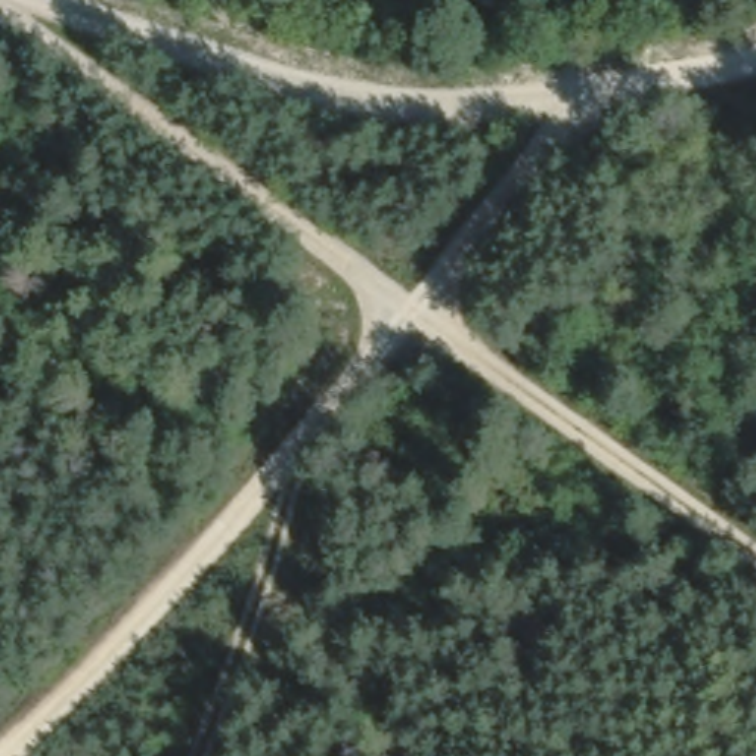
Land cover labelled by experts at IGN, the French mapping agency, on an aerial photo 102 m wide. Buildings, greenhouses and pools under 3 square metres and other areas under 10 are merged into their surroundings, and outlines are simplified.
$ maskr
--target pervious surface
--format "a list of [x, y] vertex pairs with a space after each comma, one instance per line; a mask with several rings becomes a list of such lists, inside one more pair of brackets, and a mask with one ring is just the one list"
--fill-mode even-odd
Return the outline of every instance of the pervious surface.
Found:
[[0, 756], [27, 756], [27, 747], [35, 744], [41, 732], [53, 726], [53, 721], [65, 718], [80, 697], [86, 697], [100, 679], [106, 679], [106, 673], [133, 650], [133, 644], [142, 635], [148, 635], [165, 617], [171, 602], [177, 602], [183, 591], [192, 588], [198, 573], [221, 558], [221, 552], [260, 514], [266, 499], [286, 478], [307, 478], [301, 452], [325, 428], [325, 416], [334, 413], [340, 402], [357, 399], [369, 381], [387, 375], [381, 354], [387, 354], [405, 331], [419, 331], [422, 337], [443, 343], [455, 360], [478, 372], [499, 393], [517, 399], [529, 413], [558, 428], [567, 440], [582, 443], [599, 467], [611, 470], [626, 484], [670, 502], [673, 511], [697, 517], [697, 526], [729, 535], [756, 555], [756, 537], [741, 523], [715, 511], [706, 499], [688, 493], [682, 484], [650, 467], [632, 449], [608, 437], [599, 425], [576, 413], [561, 399], [546, 393], [535, 381], [523, 375], [517, 366], [511, 366], [505, 357], [499, 357], [464, 322], [475, 307], [475, 301], [470, 298], [467, 278], [470, 266], [478, 260], [478, 248], [490, 239], [499, 239], [505, 227], [532, 227], [532, 183], [540, 183], [552, 171], [552, 154], [564, 154], [564, 159], [579, 157], [588, 171], [599, 168], [599, 157], [608, 139], [602, 133], [605, 121], [597, 118], [597, 112], [608, 103], [611, 95], [620, 97], [656, 86], [691, 86], [706, 106], [706, 118], [712, 121], [718, 112], [724, 115], [729, 106], [735, 106], [729, 80], [756, 74], [756, 24], [750, 35], [735, 41], [721, 38], [715, 47], [709, 41], [697, 41], [691, 32], [673, 41], [653, 44], [641, 50], [638, 62], [632, 74], [597, 74], [594, 65], [564, 62], [552, 65], [546, 74], [535, 71], [532, 65], [517, 65], [508, 74], [499, 74], [493, 83], [475, 86], [419, 86], [384, 86], [357, 77], [334, 77], [325, 71], [304, 71], [295, 65], [269, 62], [263, 56], [219, 41], [192, 44], [168, 35], [151, 35], [148, 18], [136, 12], [127, 15], [124, 24], [139, 35], [148, 35], [159, 53], [171, 59], [171, 65], [204, 65], [216, 53], [254, 68], [257, 74], [286, 80], [292, 86], [319, 86], [334, 97], [351, 97], [357, 103], [384, 97], [422, 100], [437, 106], [446, 118], [452, 118], [473, 97], [505, 100], [508, 106], [529, 109], [529, 115], [514, 130], [514, 139], [505, 139], [484, 157], [481, 183], [475, 186], [475, 192], [458, 201], [452, 219], [434, 230], [431, 245], [413, 254], [413, 269], [422, 284], [405, 289], [381, 269], [375, 269], [363, 254], [357, 254], [351, 245], [319, 230], [292, 207], [278, 201], [266, 186], [254, 183], [230, 157], [201, 145], [186, 127], [171, 124], [130, 83], [109, 74], [74, 41], [68, 41], [62, 35], [65, 27], [80, 27], [86, 32], [112, 38], [112, 30], [121, 24], [112, 15], [97, 12], [100, 0], [0, 0], [0, 15], [12, 27], [38, 35], [62, 59], [71, 59], [86, 80], [97, 80], [118, 103], [139, 115], [154, 133], [174, 142], [189, 159], [201, 159], [210, 168], [216, 168], [221, 180], [230, 180], [266, 213], [269, 221], [284, 224], [289, 233], [298, 236], [298, 242], [313, 257], [328, 263], [351, 286], [360, 307], [357, 351], [348, 357], [340, 378], [325, 390], [325, 399], [304, 413], [304, 419], [295, 425], [295, 431], [286, 434], [278, 452], [272, 452], [266, 464], [257, 467], [257, 478], [248, 478], [248, 484], [227, 502], [227, 508], [207, 526], [207, 532], [139, 597], [139, 602], [103, 635], [103, 641], [35, 709], [30, 709], [15, 726], [9, 726], [0, 735]]

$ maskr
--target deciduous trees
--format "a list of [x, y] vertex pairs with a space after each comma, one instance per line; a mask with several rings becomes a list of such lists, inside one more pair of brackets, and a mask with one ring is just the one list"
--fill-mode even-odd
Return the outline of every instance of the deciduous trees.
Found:
[[744, 198], [744, 210], [735, 221], [735, 230], [721, 236], [715, 263], [703, 272], [700, 284], [685, 284], [685, 295], [691, 298], [697, 313], [685, 322], [673, 343], [667, 343], [664, 348], [653, 348], [650, 343], [632, 346], [632, 369], [638, 369], [638, 375], [653, 390], [653, 399], [659, 402], [653, 408], [659, 437], [644, 437], [632, 449], [650, 467], [682, 484], [688, 481], [685, 455], [679, 452], [673, 434], [685, 431], [685, 410], [703, 408], [709, 413], [706, 425], [712, 434], [735, 434], [741, 419], [750, 410], [756, 410], [756, 192]]
[[32, 313], [21, 313], [15, 307], [15, 301], [24, 292], [15, 292], [6, 278], [0, 278], [0, 316], [3, 322], [9, 319], [18, 331], [24, 331], [24, 325], [32, 325]]
[[38, 109], [15, 106], [12, 92], [0, 95], [0, 145], [18, 136], [24, 124], [35, 124]]
[[481, 68], [484, 74], [499, 74], [508, 74], [517, 65], [532, 65], [535, 71], [546, 74], [552, 65], [564, 62], [567, 56], [561, 41], [573, 38], [576, 32], [599, 32], [602, 53], [620, 50], [632, 56], [632, 62], [638, 62], [641, 50], [653, 44], [659, 27], [679, 15], [679, 6], [673, 0], [511, 0], [505, 6], [502, 21], [511, 41], [508, 53], [502, 56], [484, 44], [473, 56], [475, 68]]
[[546, 366], [535, 381], [546, 393], [561, 399], [567, 393], [567, 372], [573, 366], [576, 351], [585, 348], [588, 337], [599, 331], [597, 313], [576, 310], [570, 316], [561, 316], [549, 340], [552, 348]]
[[413, 62], [413, 30], [402, 30], [396, 18], [375, 27], [375, 21], [369, 18], [372, 6], [366, 0], [168, 0], [180, 18], [192, 21], [213, 18], [224, 6], [227, 15], [245, 21], [254, 32], [272, 38], [281, 47], [304, 44], [325, 50], [331, 56], [354, 56], [372, 68], [408, 68]]

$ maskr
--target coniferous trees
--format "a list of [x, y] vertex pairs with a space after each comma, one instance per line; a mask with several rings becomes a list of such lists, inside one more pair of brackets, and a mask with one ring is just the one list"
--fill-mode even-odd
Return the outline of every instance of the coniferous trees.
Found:
[[148, 35], [139, 35], [124, 24], [121, 24], [112, 30], [112, 38], [86, 32], [80, 27], [65, 27], [62, 35], [68, 41], [74, 41], [109, 74], [130, 83], [171, 124], [186, 127], [201, 145], [230, 157], [254, 183], [266, 186], [278, 201], [292, 207], [319, 230], [351, 245], [357, 254], [363, 254], [375, 269], [381, 269], [405, 289], [422, 284], [413, 269], [413, 254], [431, 245], [434, 230], [452, 219], [458, 201], [475, 192], [475, 186], [481, 183], [484, 157], [505, 139], [514, 139], [514, 130], [529, 115], [529, 109], [508, 106], [505, 100], [473, 97], [452, 118], [446, 118], [437, 106], [422, 100], [384, 97], [357, 103], [351, 97], [334, 97], [319, 86], [292, 86], [286, 80], [257, 74], [254, 68], [216, 53], [204, 65], [171, 65], [171, 59], [159, 53]]
[[413, 30], [413, 62], [408, 68], [416, 74], [419, 86], [475, 86], [493, 83], [499, 74], [484, 74], [481, 68], [475, 68], [473, 56], [484, 44], [502, 56], [508, 53], [511, 41], [502, 21], [505, 6], [511, 0], [366, 0], [372, 6], [369, 18], [375, 21], [375, 27], [396, 18], [402, 30]]
[[15, 292], [24, 292], [15, 301], [15, 307], [21, 313], [32, 313], [32, 325], [24, 325], [24, 331], [18, 331], [9, 319], [3, 322], [0, 316], [0, 735], [9, 726], [15, 726], [30, 709], [35, 709], [103, 641], [103, 635], [139, 602], [139, 597], [207, 532], [207, 526], [227, 508], [227, 502], [248, 484], [248, 478], [257, 478], [257, 467], [266, 464], [272, 452], [278, 452], [286, 434], [295, 431], [295, 425], [304, 419], [304, 413], [325, 399], [325, 390], [340, 378], [348, 357], [357, 351], [360, 307], [351, 286], [328, 263], [313, 257], [298, 242], [298, 236], [289, 233], [284, 224], [269, 221], [266, 213], [230, 180], [221, 180], [216, 168], [210, 168], [201, 159], [189, 159], [174, 142], [154, 133], [139, 115], [118, 103], [97, 80], [86, 80], [71, 59], [62, 59], [38, 35], [12, 27], [0, 15], [0, 95], [12, 92], [15, 106], [38, 109], [35, 124], [24, 124], [18, 136], [0, 145], [0, 278], [6, 278]]
[[532, 183], [532, 227], [505, 227], [499, 239], [490, 239], [478, 248], [478, 260], [470, 266], [467, 278], [470, 298], [475, 301], [475, 307], [464, 322], [499, 357], [505, 357], [511, 366], [517, 366], [523, 375], [535, 381], [546, 366], [552, 348], [549, 340], [561, 316], [570, 316], [576, 310], [597, 313], [599, 331], [588, 337], [585, 348], [576, 351], [573, 366], [567, 372], [567, 393], [561, 399], [576, 413], [599, 425], [608, 437], [632, 449], [644, 437], [659, 437], [653, 408], [659, 402], [653, 399], [653, 390], [638, 375], [638, 369], [632, 369], [632, 346], [650, 343], [653, 348], [664, 348], [667, 343], [673, 343], [685, 322], [697, 313], [691, 298], [685, 295], [685, 284], [700, 284], [703, 272], [715, 263], [721, 236], [735, 230], [735, 221], [744, 210], [744, 198], [756, 192], [756, 74], [729, 80], [735, 106], [729, 106], [724, 115], [718, 112], [712, 121], [706, 118], [706, 106], [691, 86], [656, 86], [620, 97], [611, 95], [608, 103], [597, 112], [597, 118], [605, 121], [602, 133], [608, 139], [599, 157], [599, 168], [588, 171], [579, 157], [564, 159], [564, 154], [552, 154], [552, 171], [540, 183]]
[[682, 484], [688, 493], [706, 499], [715, 511], [741, 523], [756, 537], [756, 410], [750, 410], [741, 419], [735, 434], [712, 434], [706, 425], [709, 413], [703, 408], [685, 410], [685, 431], [673, 434], [679, 452], [685, 455], [688, 481]]
[[334, 413], [325, 416], [325, 428], [301, 452], [307, 478], [286, 478], [266, 499], [272, 508], [278, 508], [278, 523], [286, 523], [289, 529], [286, 546], [278, 537], [269, 537], [263, 543], [266, 570], [272, 573], [275, 588], [281, 588], [286, 597], [269, 605], [275, 620], [281, 623], [281, 635], [269, 638], [263, 650], [254, 647], [251, 653], [257, 656], [266, 682], [236, 682], [236, 694], [245, 700], [245, 709], [233, 715], [230, 724], [224, 724], [221, 756], [756, 756], [756, 555], [729, 535], [697, 526], [697, 517], [673, 511], [670, 502], [626, 484], [611, 470], [599, 467], [582, 443], [567, 440], [558, 428], [529, 413], [517, 399], [499, 393], [478, 372], [455, 360], [443, 343], [422, 337], [419, 331], [405, 331], [387, 354], [381, 354], [387, 375], [369, 381], [357, 399], [340, 402]]
[[653, 44], [673, 41], [691, 32], [697, 41], [709, 41], [715, 47], [721, 38], [735, 41], [750, 35], [756, 24], [756, 0], [673, 0], [679, 6], [679, 15], [659, 27]]
[[632, 56], [620, 50], [602, 53], [599, 32], [576, 32], [573, 38], [561, 41], [567, 56], [564, 62], [594, 65], [597, 74], [632, 74], [638, 62], [632, 62]]

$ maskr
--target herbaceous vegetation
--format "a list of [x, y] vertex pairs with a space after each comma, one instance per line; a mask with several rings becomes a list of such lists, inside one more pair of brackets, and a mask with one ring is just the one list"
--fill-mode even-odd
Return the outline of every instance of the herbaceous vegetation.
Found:
[[236, 682], [266, 682], [257, 656], [251, 653], [242, 653], [201, 629], [177, 629], [177, 647], [168, 656], [171, 676], [151, 697], [154, 706], [171, 703], [177, 712], [171, 721], [148, 721], [151, 732], [165, 732], [171, 738], [171, 744], [162, 747], [157, 756], [221, 756], [224, 724], [230, 724], [233, 715], [245, 709], [245, 700], [236, 694]]
[[151, 35], [168, 35], [192, 44], [219, 41], [263, 56], [269, 62], [295, 65], [304, 71], [325, 71], [334, 77], [357, 77], [384, 86], [419, 86], [416, 74], [408, 68], [372, 68], [354, 56], [331, 56], [325, 50], [304, 44], [281, 47], [272, 38], [254, 32], [245, 21], [227, 15], [224, 6], [213, 18], [192, 21], [180, 18], [168, 0], [100, 0], [97, 12], [112, 15], [121, 24], [124, 24], [127, 15], [136, 12], [148, 18]]

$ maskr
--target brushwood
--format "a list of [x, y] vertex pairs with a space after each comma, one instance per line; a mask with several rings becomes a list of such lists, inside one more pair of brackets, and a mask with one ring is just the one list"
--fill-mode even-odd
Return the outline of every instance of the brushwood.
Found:
[[177, 602], [171, 602], [165, 617], [148, 635], [142, 635], [133, 644], [133, 650], [106, 673], [106, 679], [100, 679], [86, 697], [80, 697], [65, 718], [53, 721], [53, 726], [41, 732], [35, 744], [27, 747], [27, 756], [157, 756], [162, 747], [171, 744], [171, 738], [165, 732], [151, 732], [148, 721], [171, 721], [177, 712], [171, 703], [154, 706], [151, 697], [171, 676], [168, 656], [177, 647], [177, 629], [201, 629], [242, 653], [251, 653], [254, 647], [263, 650], [269, 638], [281, 635], [281, 623], [275, 620], [269, 605], [286, 597], [281, 588], [275, 588], [272, 573], [266, 570], [263, 543], [269, 537], [278, 537], [286, 546], [289, 529], [286, 523], [278, 523], [278, 508], [272, 508], [266, 499], [260, 514], [221, 552], [221, 558], [198, 573], [192, 588], [183, 591]]

